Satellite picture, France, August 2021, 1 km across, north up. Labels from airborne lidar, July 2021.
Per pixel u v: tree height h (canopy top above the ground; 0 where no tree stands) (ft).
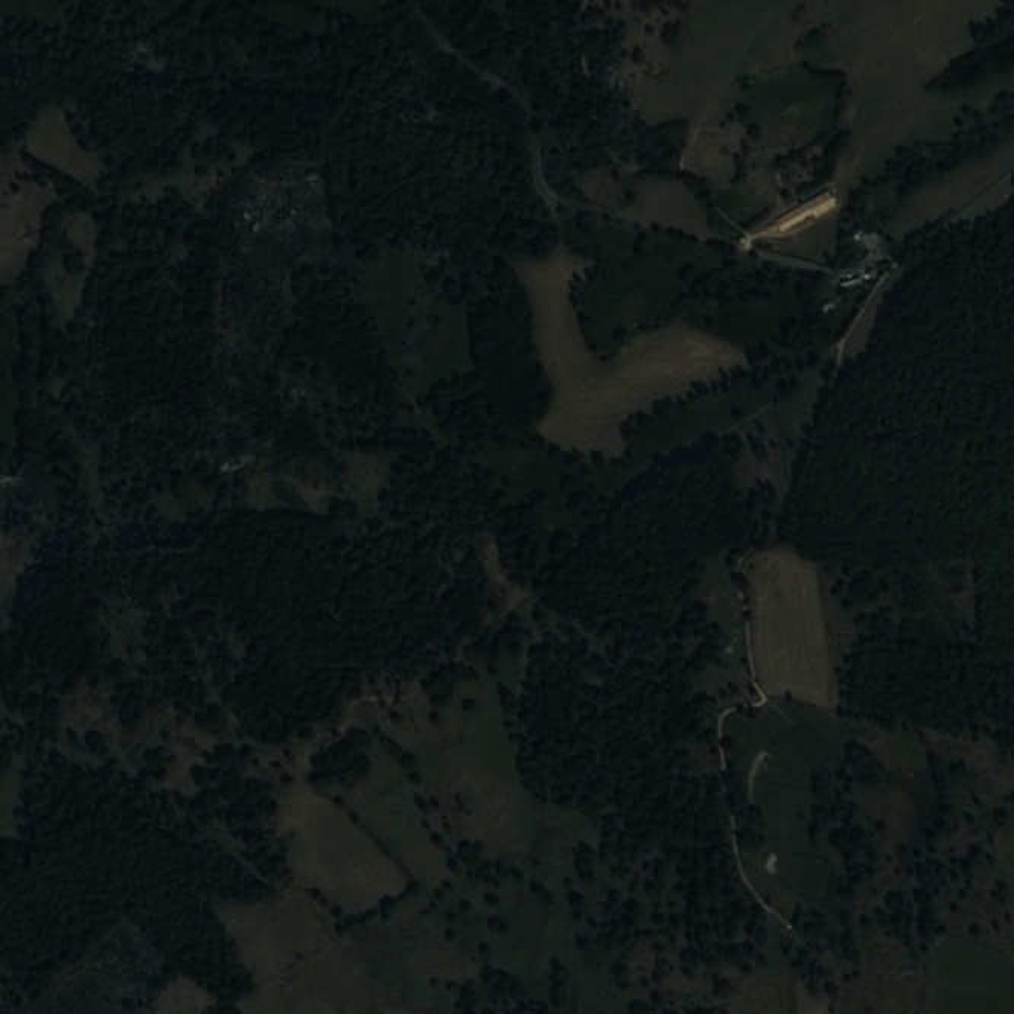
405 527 36
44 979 55
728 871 43
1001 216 29
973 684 59
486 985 44
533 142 43
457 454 33
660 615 49
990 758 0
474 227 61
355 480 0
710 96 0
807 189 43
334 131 57
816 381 0
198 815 41
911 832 0
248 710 59
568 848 0
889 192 0
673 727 45
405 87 60
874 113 0
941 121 0
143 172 30
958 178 0
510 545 32
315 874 0
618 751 40
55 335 58
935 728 45
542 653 43
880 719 45
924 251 63
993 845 26
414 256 0
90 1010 0
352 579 24
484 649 53
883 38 0
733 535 58
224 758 61
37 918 75
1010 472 50
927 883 31
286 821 0
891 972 0
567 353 0
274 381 39
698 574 53
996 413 40
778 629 0
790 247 0
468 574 29
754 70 0
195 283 49
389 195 56
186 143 22
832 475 52
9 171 0
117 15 58
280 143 54
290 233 0
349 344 46
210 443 22
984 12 0
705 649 31
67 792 54
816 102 0
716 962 55
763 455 63
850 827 50
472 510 38
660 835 65
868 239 0
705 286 46
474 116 60
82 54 66
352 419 30
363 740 45
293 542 45
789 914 0
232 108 81
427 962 0
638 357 0
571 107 22
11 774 0
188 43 44
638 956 0
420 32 45
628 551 54
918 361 62
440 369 0
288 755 35
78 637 54
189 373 31
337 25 56
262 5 25
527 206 37
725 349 0
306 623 58
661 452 0
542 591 42
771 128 0
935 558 58
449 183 35
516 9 35
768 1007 0
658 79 0
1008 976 0
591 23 23
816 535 46
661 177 40
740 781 48
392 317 0
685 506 67
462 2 37
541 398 61
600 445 0
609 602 40
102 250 46
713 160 0
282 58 52
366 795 0
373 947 0
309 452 36
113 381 32
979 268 40
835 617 0
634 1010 41
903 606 18
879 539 55
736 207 0
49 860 71
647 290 0
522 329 61
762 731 0
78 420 22
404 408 37
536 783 50
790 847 0
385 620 37
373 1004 0
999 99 25
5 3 0
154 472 27
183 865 66
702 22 0
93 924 61
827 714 0
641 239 39
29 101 43
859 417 54
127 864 51
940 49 0
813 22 0
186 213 23
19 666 52
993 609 51
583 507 41
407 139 31
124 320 54
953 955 0
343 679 50
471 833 0
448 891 45
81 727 0
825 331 54
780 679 0
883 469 48
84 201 39
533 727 38
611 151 19
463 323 0
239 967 63
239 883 70
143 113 59
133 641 0
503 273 60
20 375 59
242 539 56
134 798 46
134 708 46
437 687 64
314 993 0
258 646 41
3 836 0
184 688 38
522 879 59
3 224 0
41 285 52
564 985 60
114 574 32
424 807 61
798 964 36
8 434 0
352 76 42
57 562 56
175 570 48
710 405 0
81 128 31
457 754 0
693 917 38
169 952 37
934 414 47
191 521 25
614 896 30
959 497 42
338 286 34
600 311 0
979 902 0
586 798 44
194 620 36
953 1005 0
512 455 0
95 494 0
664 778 35
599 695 48
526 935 0
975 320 49
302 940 0
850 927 32
